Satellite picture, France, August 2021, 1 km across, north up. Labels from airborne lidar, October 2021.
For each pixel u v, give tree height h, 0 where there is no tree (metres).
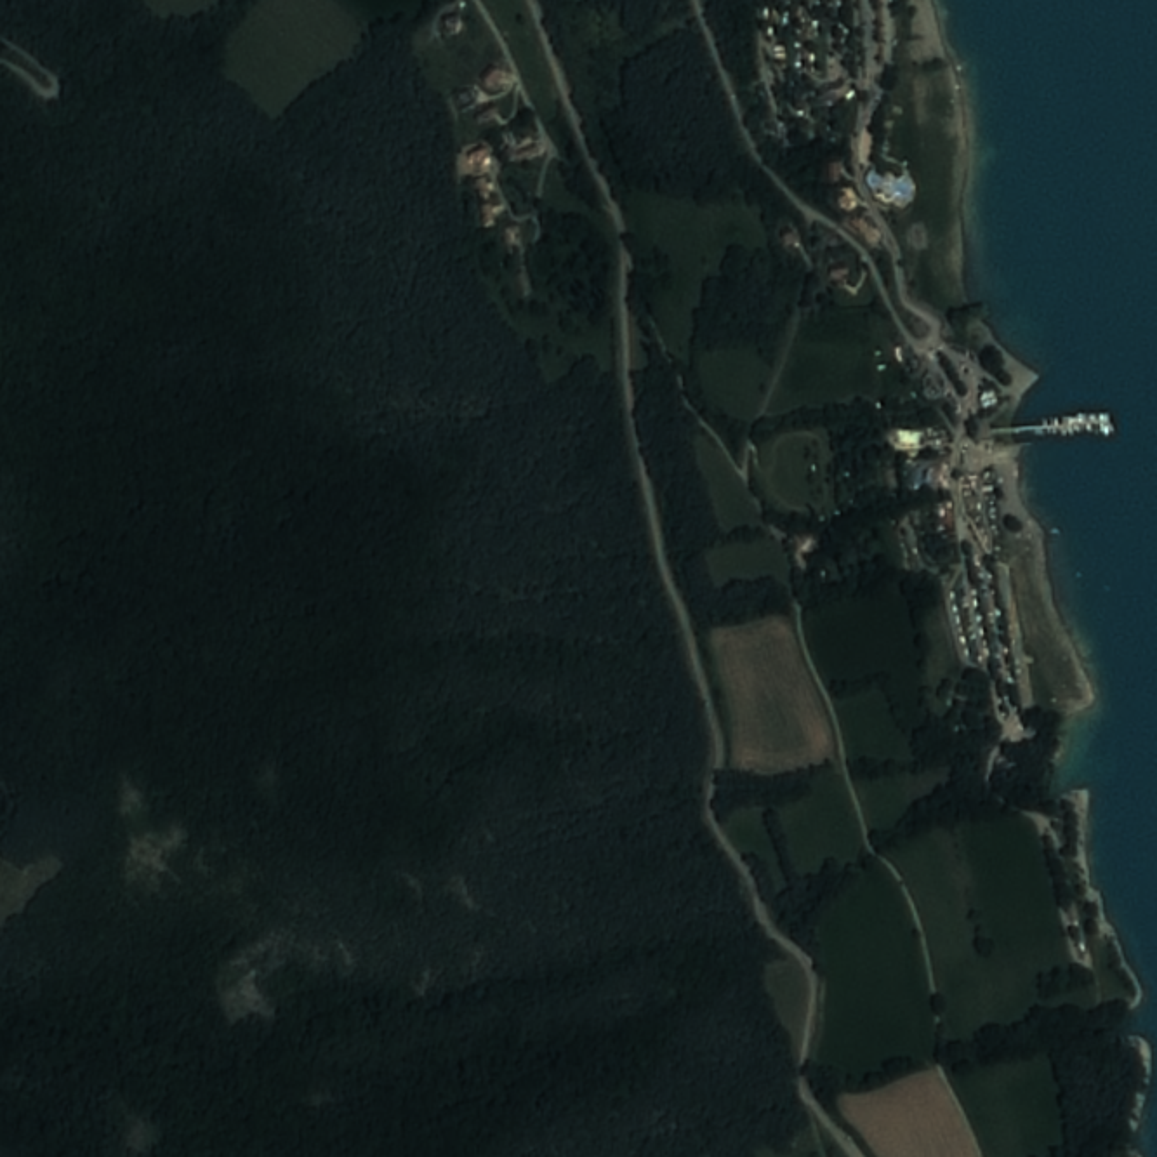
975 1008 0
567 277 7
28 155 16
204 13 9
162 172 13
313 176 10
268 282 18
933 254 0
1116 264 0
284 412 12
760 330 14
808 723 0
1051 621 0
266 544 21
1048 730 22
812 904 12
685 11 9
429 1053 17
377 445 14
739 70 10
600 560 14
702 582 13
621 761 14
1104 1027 17
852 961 0
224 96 13
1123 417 0
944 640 0
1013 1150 0
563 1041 25
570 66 7
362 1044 17
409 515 14
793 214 6
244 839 8
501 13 0
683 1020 16
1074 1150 13
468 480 13
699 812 13
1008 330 0
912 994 0
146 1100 13
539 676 10
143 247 22
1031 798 21
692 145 15
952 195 0
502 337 13
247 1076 25
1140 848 0
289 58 0
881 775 10
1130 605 0
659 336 9
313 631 18
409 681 11
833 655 0
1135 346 0
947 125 0
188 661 19
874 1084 12
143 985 20
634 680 8
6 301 16
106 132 16
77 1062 14
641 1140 7
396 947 11
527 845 8
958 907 0
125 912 10
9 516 10
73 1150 16
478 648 14
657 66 15
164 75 10
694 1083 7
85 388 23
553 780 12
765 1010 12
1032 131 0
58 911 12
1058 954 0
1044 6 0
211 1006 18
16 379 21
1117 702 0
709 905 11
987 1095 0
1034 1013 11
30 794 14
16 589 20
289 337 14
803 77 8
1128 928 0
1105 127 0
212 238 16
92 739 19
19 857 11
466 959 9
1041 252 0
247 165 13
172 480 23
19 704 16
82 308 22
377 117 11
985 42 0
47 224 18
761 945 11
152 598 20
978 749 13
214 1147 21
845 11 11
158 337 15
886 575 14
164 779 18
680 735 15
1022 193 0
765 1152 0
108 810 10
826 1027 0
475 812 12
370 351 12
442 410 6
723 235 0
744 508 0
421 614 13
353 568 19
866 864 12
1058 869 14
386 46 13
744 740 0
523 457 11
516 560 11
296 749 14
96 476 23
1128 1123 14
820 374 0
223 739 16
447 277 8
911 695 0
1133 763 0
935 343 0
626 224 0
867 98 7
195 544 16
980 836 0
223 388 22
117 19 16
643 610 12
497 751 19
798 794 9
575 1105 15
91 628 23
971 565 9
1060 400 0
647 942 12
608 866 15
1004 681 8
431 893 8
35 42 14
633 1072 14
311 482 23
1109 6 0
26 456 22
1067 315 0
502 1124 17
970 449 0
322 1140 19
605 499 14
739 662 0
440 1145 20
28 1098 24
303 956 7
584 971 19
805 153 18
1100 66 0
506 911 10
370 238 13
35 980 15
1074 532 0
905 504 13
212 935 19
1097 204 0
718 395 0
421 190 12
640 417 14
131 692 21
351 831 15
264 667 18
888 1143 0
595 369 15
